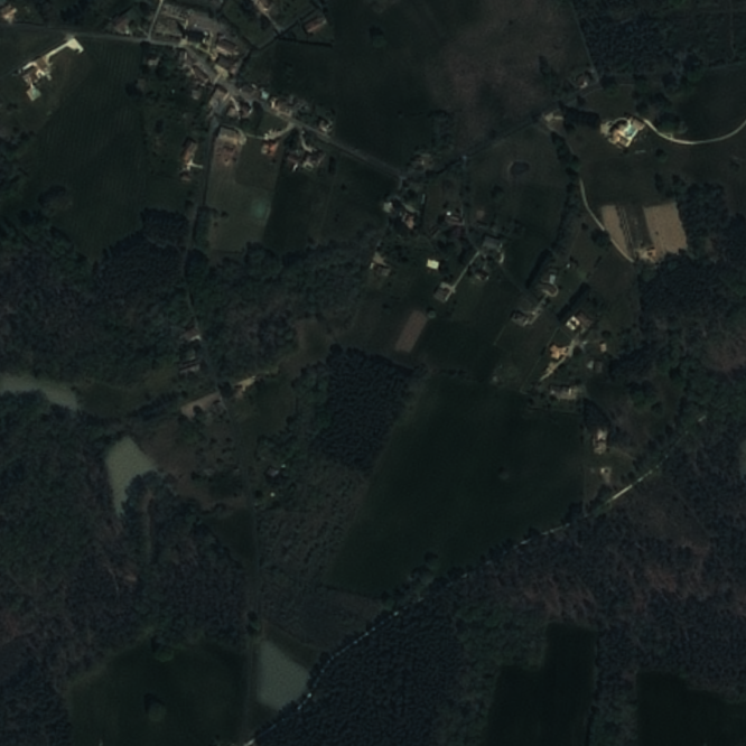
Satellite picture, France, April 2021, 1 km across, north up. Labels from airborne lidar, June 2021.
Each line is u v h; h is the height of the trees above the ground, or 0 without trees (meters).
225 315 14
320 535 6
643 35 18
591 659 0
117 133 0
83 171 0
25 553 20
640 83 14
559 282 0
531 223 0
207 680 0
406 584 0
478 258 0
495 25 0
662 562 22
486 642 20
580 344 0
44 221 18
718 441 17
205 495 0
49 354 26
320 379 12
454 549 0
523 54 0
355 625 12
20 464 13
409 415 14
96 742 0
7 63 0
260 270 21
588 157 0
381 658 20
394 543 0
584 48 0
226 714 0
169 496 20
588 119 10
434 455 0
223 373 11
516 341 0
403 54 0
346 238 0
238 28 9
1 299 21
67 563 17
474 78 0
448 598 19
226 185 0
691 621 19
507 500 0
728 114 0
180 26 0
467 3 0
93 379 18
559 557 24
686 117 0
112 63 0
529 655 20
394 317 0
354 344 0
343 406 19
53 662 11
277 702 0
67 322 27
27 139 12
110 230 0
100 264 9
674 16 0
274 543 7
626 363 17
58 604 20
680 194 10
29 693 23
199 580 18
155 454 0
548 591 13
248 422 0
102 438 10
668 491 0
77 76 0
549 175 0
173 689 0
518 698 0
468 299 0
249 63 6
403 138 0
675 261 19
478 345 0
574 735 0
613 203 0
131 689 0
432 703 20
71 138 0
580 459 0
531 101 0
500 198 9
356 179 0
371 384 18
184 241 18
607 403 0
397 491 0
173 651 20
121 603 19
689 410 22
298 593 11
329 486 13
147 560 21
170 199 0
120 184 0
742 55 9
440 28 0
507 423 0
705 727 0
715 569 21
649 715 0
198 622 17
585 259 0
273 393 0
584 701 0
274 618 10
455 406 0
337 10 0
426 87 0
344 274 12
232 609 18
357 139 0
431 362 0
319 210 0
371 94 0
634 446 18
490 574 21
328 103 0
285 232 0
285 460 12
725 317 7
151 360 17
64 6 0
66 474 18
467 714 20
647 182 0
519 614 21
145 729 0
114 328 26
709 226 17
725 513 21
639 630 19
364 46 0
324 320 16
